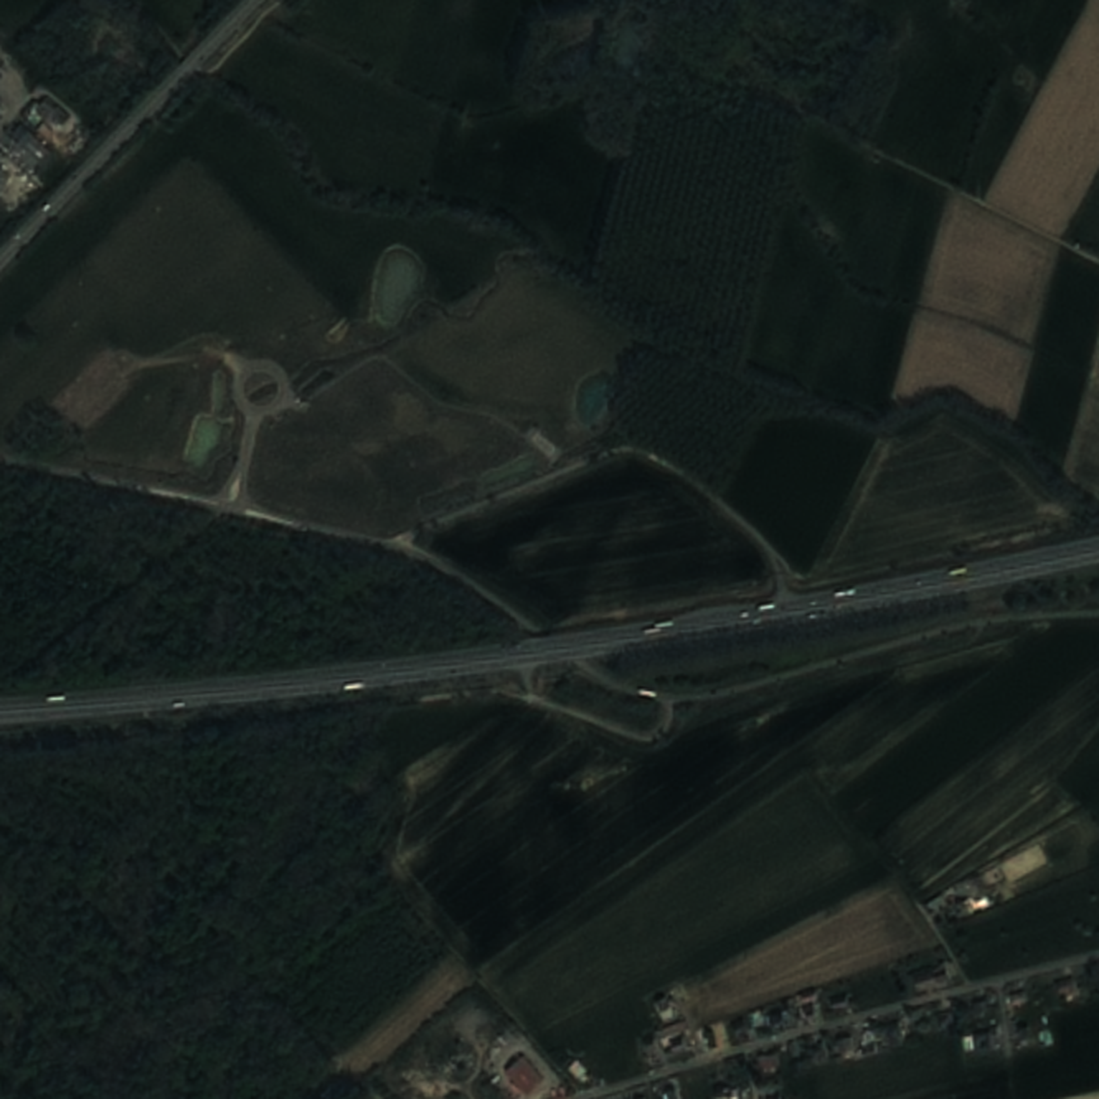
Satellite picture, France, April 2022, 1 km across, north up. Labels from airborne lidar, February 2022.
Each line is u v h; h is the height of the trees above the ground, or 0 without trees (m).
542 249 16
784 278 0
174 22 0
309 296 0
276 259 0
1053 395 0
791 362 0
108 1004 32
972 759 0
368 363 0
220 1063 31
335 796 26
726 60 29
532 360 0
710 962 0
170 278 0
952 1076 0
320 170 0
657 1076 0
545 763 0
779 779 0
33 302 0
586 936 0
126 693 0
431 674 0
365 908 24
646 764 0
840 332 0
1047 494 0
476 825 0
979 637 0
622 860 0
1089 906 0
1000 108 0
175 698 0
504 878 0
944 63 0
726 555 0
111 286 0
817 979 0
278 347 0
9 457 0
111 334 0
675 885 0
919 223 0
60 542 25
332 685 0
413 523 0
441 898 0
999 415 12
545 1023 0
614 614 0
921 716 0
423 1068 0
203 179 0
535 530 0
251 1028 26
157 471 0
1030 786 0
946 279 0
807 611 0
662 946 0
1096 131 0
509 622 18
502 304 0
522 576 0
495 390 0
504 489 0
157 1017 30
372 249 0
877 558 0
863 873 0
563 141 0
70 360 0
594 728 0
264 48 0
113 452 0
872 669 0
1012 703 0
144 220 0
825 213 0
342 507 0
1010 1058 0
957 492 0
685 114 0
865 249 0
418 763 0
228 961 21
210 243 0
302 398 0
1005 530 0
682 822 0
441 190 0
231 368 0
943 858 0
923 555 0
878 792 0
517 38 0
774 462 0
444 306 0
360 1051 0
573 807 0
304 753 29
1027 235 0
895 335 0
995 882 0
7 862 24
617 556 0
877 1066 0
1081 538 0
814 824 0
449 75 0
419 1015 0
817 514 0
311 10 0
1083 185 0
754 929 0
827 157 0
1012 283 0
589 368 0
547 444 0
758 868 0
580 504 0
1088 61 0
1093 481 0
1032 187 0
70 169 0
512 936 0
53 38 13
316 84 0
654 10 29
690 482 0
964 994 0
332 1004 7
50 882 30
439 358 0
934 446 0
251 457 0
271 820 27
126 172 0
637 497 0
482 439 0
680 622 0
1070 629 0
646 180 0
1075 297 0
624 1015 0
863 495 0
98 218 0
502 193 0
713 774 0
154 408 0
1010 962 0
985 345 0
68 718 0
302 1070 27
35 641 15
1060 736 0
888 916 0
